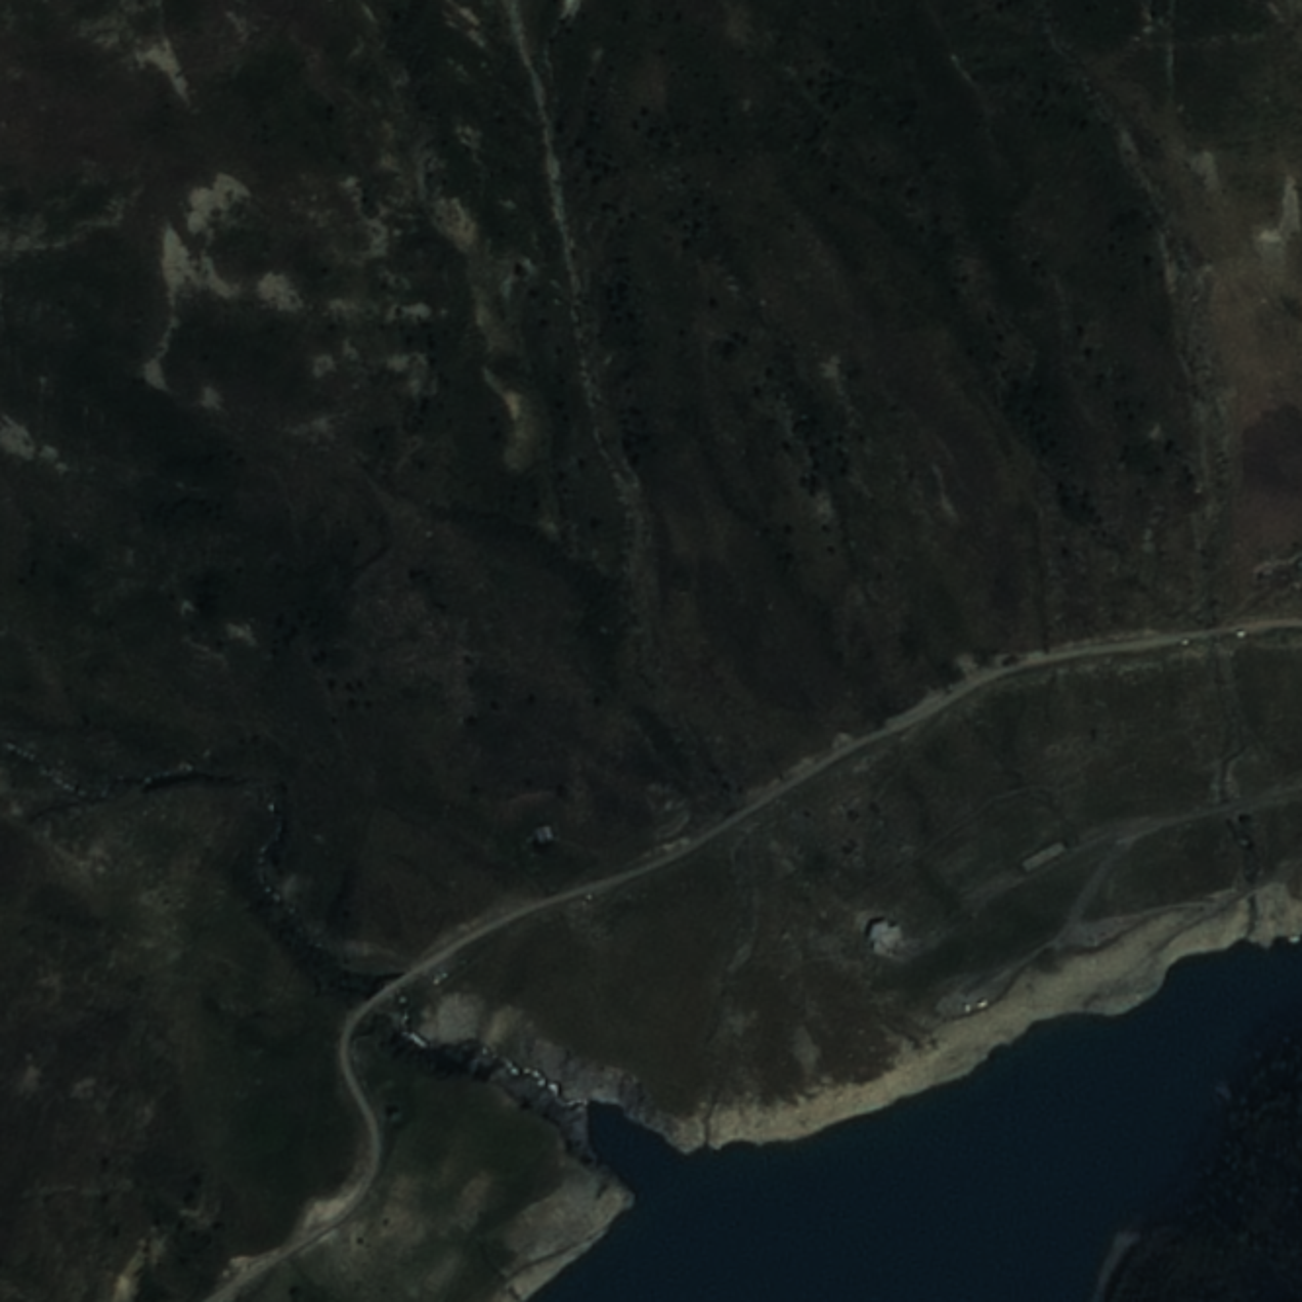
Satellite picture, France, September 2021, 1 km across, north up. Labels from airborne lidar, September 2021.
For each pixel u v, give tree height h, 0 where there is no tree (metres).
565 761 0
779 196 0
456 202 0
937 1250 0
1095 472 0
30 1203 0
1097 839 0
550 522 0
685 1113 0
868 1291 0
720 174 0
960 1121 0
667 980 0
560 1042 0
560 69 0
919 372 0
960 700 0
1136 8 0
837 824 0
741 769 0
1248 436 0
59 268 0
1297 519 0
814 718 0
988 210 0
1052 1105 0
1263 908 0
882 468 0
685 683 0
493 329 0
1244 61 0
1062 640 0
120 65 0
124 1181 0
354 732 0
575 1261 0
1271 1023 0
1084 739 0
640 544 0
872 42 0
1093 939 0
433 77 0
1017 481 0
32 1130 0
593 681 0
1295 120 0
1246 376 0
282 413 0
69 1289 0
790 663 0
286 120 0
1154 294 0
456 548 0
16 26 0
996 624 0
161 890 0
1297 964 0
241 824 0
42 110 0
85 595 0
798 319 0
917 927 0
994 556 0
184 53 0
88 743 0
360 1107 0
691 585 0
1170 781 0
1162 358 0
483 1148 0
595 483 0
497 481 0
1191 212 0
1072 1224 0
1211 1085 0
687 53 0
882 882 0
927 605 0
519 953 0
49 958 0
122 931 0
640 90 0
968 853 0
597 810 0
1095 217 0
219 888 0
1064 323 0
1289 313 0
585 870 0
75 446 0
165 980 0
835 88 11
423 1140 0
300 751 0
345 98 0
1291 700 0
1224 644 0
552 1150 0
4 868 0
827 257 0
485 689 0
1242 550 0
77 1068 0
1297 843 0
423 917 0
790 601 0
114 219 0
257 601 0
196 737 0
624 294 10
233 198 0
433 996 0
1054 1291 0
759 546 0
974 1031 0
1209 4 0
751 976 0
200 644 0
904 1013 0
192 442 0
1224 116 0
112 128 0
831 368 0
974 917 0
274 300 0
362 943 0
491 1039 0
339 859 0
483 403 0
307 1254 0
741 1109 0
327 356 0
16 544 0
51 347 0
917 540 0
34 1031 0
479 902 0
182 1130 0
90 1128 0
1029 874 0
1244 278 0
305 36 0
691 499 0
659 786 0
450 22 0
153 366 0
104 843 0
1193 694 0
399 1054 7
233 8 0
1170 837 0
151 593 0
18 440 0
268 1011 0
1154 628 0
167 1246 0
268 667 0
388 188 0
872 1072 0
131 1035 0
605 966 0
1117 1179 0
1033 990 0
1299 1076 7
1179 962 0
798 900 0
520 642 0
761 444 0
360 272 0
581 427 0
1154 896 0
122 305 0
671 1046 0
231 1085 0
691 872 0
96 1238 0
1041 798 0
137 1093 0
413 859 0
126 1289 0
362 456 0
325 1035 0
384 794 0
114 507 0
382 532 0
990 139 0
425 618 0
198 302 0
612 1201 0
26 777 0
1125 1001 0
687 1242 0
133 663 0
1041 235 0
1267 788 0
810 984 0
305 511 0
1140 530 0
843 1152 0
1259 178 0
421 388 0
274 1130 0
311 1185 0
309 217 0
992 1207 0
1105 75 0
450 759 0
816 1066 0
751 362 0
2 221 0
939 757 0
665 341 0
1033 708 0
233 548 0
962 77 0
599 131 8
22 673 0
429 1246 0
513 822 0
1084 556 0
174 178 0
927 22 0
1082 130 7
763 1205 0
